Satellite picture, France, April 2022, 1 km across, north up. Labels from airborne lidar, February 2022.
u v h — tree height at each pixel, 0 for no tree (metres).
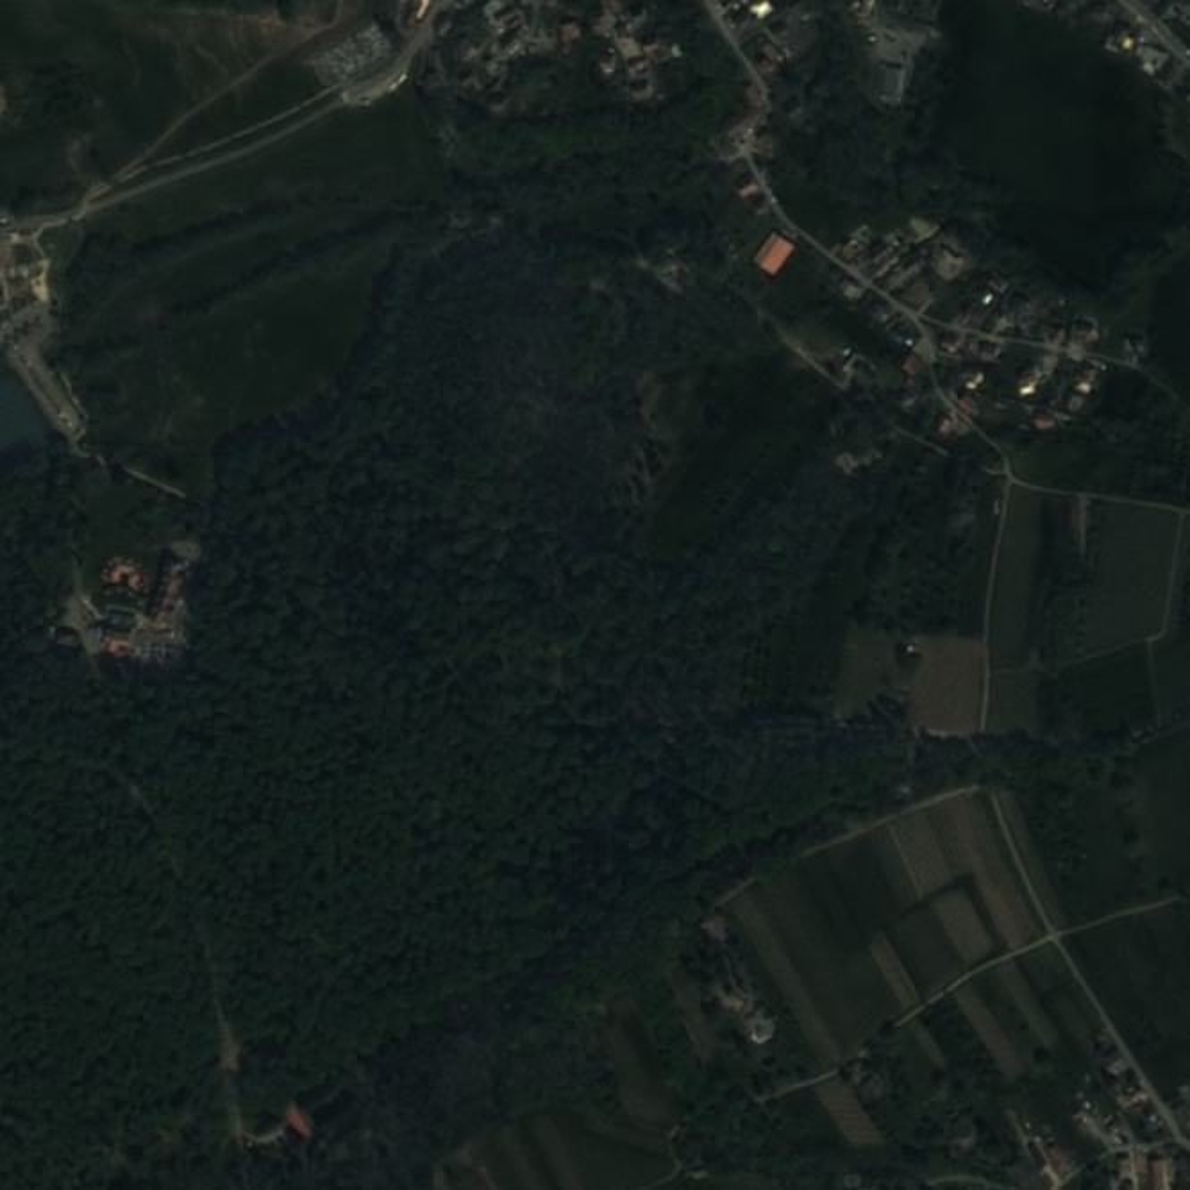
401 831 30
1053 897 0
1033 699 0
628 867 25
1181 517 0
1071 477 0
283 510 29
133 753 23
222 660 30
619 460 22
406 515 24
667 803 23
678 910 26
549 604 30
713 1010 20
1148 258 17
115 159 0
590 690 23
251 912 28
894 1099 7
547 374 23
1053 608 9
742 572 19
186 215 0
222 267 0
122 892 26
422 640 24
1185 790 0
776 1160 14
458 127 12
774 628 7
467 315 19
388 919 31
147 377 0
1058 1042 0
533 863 29
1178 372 0
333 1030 28
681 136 19
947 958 0
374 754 30
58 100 6
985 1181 6
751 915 0
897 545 17
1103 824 0
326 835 30
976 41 0
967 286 9
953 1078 12
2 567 31
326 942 31
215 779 25
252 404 0
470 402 19
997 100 0
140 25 0
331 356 0
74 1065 27
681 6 23
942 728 0
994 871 0
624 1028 0
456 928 34
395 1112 17
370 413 30
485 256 25
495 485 25
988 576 0
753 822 24
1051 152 0
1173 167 10
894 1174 9
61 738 28
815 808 21
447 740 29
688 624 23
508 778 32
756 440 0
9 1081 26
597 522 26
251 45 0
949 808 0
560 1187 0
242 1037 24
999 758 21
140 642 0
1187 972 0
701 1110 17
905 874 0
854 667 0
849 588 0
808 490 25
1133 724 0
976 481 10
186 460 0
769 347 19
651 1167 0
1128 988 0
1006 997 0
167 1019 28
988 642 0
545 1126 0
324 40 0
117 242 13
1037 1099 0
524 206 20
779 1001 0
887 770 25
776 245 0
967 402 0
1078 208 0
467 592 31
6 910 28
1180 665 0
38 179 0
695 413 0
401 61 0
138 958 25
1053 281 14
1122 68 0
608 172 22
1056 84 0
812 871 0
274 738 27
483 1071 17
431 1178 25
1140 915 0
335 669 30
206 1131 26
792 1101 0
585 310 20
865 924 0
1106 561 0
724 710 18
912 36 0
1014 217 0
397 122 0
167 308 0
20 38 0
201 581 14
